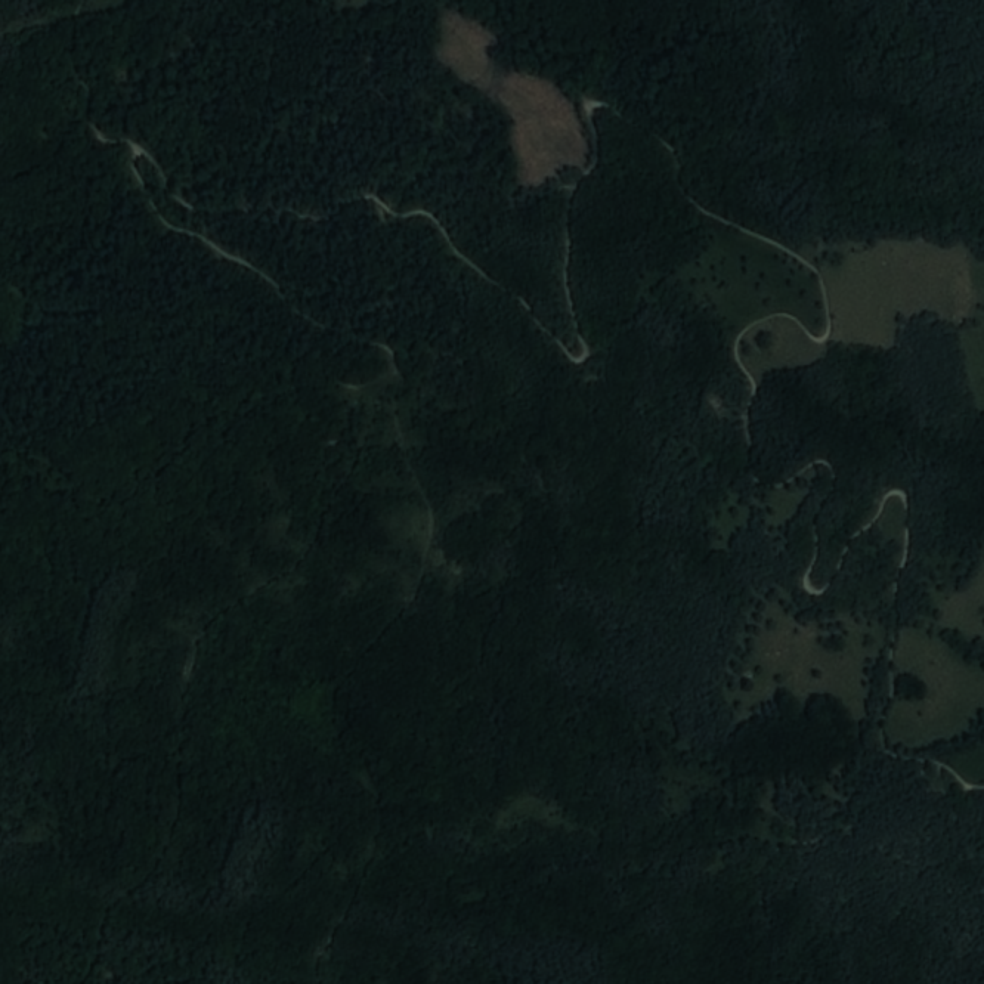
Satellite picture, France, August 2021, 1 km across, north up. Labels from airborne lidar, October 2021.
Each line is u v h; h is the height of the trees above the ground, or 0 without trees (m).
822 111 22
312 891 16
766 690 0
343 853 7
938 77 15
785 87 18
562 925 20
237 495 18
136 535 16
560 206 11
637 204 15
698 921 16
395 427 0
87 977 11
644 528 20
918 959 16
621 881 10
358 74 19
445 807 12
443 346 17
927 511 9
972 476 18
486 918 21
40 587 19
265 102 9
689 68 26
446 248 12
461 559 9
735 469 12
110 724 27
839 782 19
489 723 17
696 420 15
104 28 27
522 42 24
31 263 21
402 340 18
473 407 9
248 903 10
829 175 12
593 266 7
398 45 15
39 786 15
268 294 14
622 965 18
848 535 11
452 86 24
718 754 17
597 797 15
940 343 12
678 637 14
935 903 16
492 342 9
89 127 14
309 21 16
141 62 27
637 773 17
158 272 24
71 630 6
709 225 7
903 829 11
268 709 15
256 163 18
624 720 21
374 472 6
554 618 22
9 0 7
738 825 13
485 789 17
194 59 16
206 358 14
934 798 8
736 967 26
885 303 0
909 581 7
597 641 17
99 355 17
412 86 27
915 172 13
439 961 10
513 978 11
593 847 12
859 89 27
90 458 19
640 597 19
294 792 8
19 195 21
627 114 15
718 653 18
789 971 19
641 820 12
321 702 13
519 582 14
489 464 10
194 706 12
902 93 20
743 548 16
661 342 17
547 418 15
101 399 12
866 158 13
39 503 19
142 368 16
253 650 14
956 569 9
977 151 20
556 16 33
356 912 13
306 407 21
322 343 15
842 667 0
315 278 17
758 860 12
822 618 14
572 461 12
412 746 18
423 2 22
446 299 12
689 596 16
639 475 16
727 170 17
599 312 11
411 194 12
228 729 12
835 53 23
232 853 21
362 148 20
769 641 0
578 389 11
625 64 17
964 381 8
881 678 14
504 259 17
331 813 16
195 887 11
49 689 19
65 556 19
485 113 22
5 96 17
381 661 13
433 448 8
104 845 9
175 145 24
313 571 9
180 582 11
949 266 0
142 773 23
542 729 24
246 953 11
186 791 20
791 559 9
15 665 11
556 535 12
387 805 12
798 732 25
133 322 17
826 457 12
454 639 20
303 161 18
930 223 16
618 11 28
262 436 15
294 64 21
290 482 10
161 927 6
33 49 24
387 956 15
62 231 15
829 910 12
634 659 17
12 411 20
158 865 10
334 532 7
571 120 0
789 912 19
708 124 17
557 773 19
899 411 16
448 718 12
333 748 12
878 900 16
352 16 22
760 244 0
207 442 15
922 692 20
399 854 9
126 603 22
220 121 16
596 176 8
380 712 16
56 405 19
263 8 19
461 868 11
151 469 9
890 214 15
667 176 15
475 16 19
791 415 18
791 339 0
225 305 17
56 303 24
